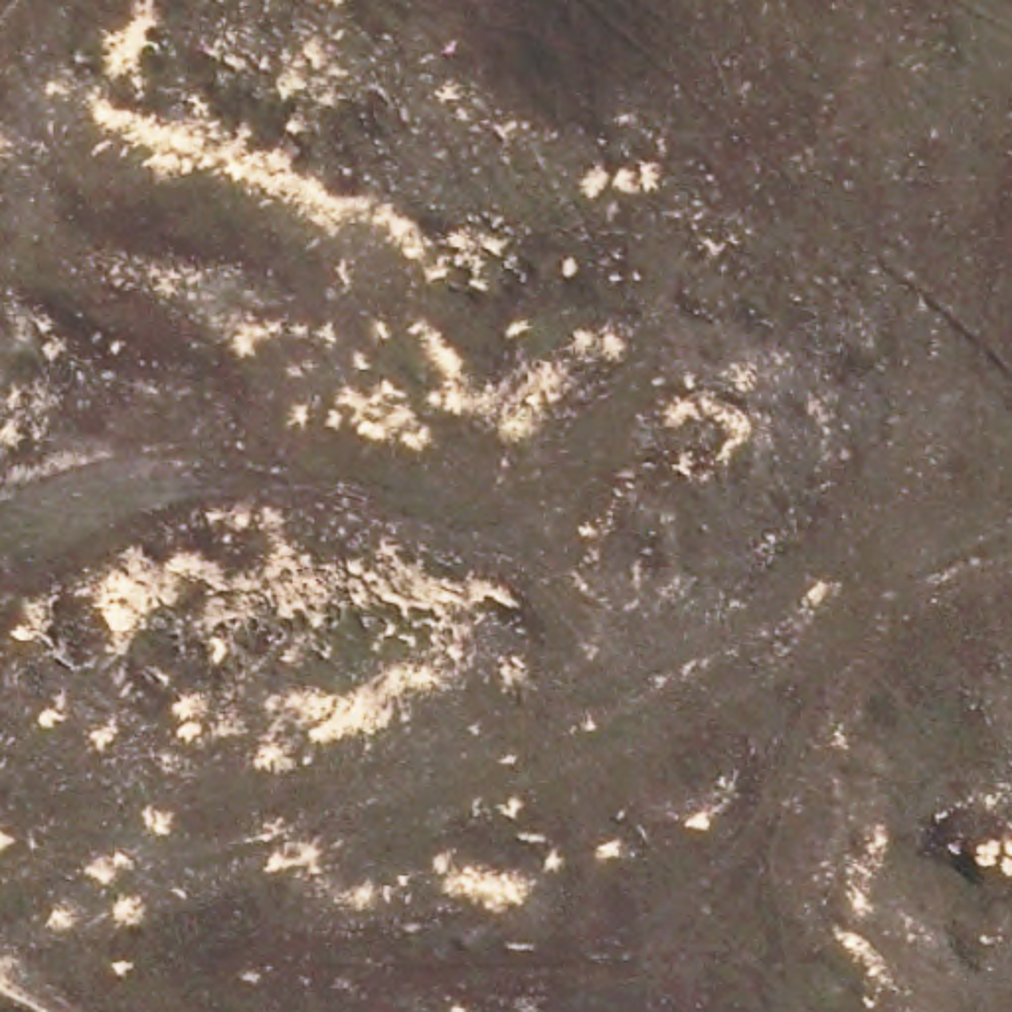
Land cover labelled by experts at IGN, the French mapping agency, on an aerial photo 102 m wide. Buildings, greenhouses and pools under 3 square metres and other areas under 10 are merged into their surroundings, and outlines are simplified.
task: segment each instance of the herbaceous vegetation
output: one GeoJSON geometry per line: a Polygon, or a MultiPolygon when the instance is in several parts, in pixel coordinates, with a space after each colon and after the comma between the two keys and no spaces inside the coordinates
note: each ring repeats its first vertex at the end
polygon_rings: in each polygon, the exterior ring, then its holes
{"type": "Polygon", "coordinates": [[[372,198],[356,221],[340,221],[336,233],[328,233],[324,225],[300,213],[296,202],[285,202],[281,194],[237,182],[229,174],[158,174],[150,166],[150,146],[130,142],[115,127],[95,123],[91,107],[43,91],[43,83],[59,71],[91,83],[107,67],[103,40],[130,24],[134,0],[0,0],[0,1012],[866,1012],[866,965],[838,945],[838,933],[858,933],[882,953],[889,984],[886,1004],[878,1012],[1012,1012],[1012,0],[154,0],[154,28],[146,32],[146,47],[138,51],[134,67],[119,75],[107,103],[119,111],[150,115],[158,123],[182,123],[190,134],[202,134],[202,146],[210,150],[229,146],[233,138],[249,150],[281,150],[293,158],[296,174],[316,178],[328,194],[372,198]],[[300,51],[304,43],[320,43],[320,51],[336,55],[336,63],[344,67],[336,107],[324,107],[304,91],[277,91],[285,75],[281,51],[300,51]],[[427,281],[427,273],[411,257],[403,257],[391,233],[376,225],[383,206],[415,221],[423,237],[486,233],[490,257],[482,261],[482,269],[490,289],[470,289],[466,265],[451,269],[443,281],[427,281]],[[190,300],[111,285],[111,261],[119,253],[138,253],[166,269],[241,269],[245,285],[265,296],[253,320],[281,320],[281,336],[257,340],[245,356],[233,352],[210,324],[194,320],[190,300]],[[466,391],[482,391],[498,380],[522,387],[530,372],[542,368],[577,332],[609,328],[609,336],[601,360],[581,360],[561,376],[561,395],[553,403],[542,403],[542,423],[530,435],[510,439],[486,427],[482,415],[447,411],[431,403],[431,391],[443,387],[443,372],[411,336],[415,320],[435,324],[447,348],[455,348],[466,372],[466,391]],[[810,364],[822,364],[834,376],[838,395],[830,407],[822,399],[802,403],[791,395],[783,395],[779,403],[763,399],[759,415],[771,415],[771,447],[743,443],[731,455],[731,463],[719,463],[719,447],[727,435],[723,423],[668,423],[668,407],[684,395],[684,376],[696,368],[696,360],[727,368],[747,364],[755,348],[779,348],[810,364]],[[407,391],[411,415],[431,435],[427,447],[368,439],[356,427],[328,427],[328,411],[344,387],[364,395],[376,383],[395,383],[407,391]],[[206,625],[202,617],[206,601],[225,601],[225,609],[233,609],[237,589],[210,589],[198,577],[182,577],[178,601],[150,609],[146,625],[130,633],[130,648],[119,656],[107,648],[107,617],[95,601],[75,597],[75,585],[119,573],[127,565],[127,549],[142,549],[150,561],[198,553],[221,565],[225,577],[241,577],[265,565],[273,553],[265,530],[241,526],[237,542],[221,542],[221,526],[206,522],[206,510],[217,506],[281,510],[285,542],[296,553],[308,553],[312,561],[364,561],[372,569],[380,542],[391,542],[399,557],[407,565],[419,565],[427,577],[490,581],[510,589],[514,605],[478,601],[470,609],[451,609],[451,621],[470,629],[463,648],[474,652],[474,664],[447,688],[419,688],[411,696],[407,723],[387,719],[387,727],[376,731],[348,731],[340,739],[324,739],[312,767],[269,771],[257,767],[257,751],[269,727],[265,696],[352,696],[356,688],[364,688],[395,664],[419,668],[431,648],[435,609],[395,609],[383,601],[356,609],[324,605],[324,625],[308,625],[308,617],[300,613],[281,617],[277,601],[257,601],[253,621],[237,629],[206,625]],[[870,882],[870,913],[854,913],[846,897],[846,866],[862,858],[874,826],[886,826],[886,862],[870,882]],[[316,889],[304,893],[289,870],[269,870],[269,854],[300,854],[304,842],[316,846],[320,866],[344,889],[356,889],[356,905],[336,905],[328,897],[316,897],[316,889]],[[490,874],[514,874],[526,882],[526,897],[502,909],[486,909],[482,897],[447,893],[435,874],[435,854],[451,854],[451,862],[459,862],[463,870],[478,866],[490,874]]]}

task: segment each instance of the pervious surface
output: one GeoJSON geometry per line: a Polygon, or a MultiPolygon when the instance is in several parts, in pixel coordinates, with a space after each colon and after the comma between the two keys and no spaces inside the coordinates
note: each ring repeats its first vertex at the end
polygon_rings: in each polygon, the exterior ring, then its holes
{"type": "Polygon", "coordinates": [[[368,439],[427,447],[431,435],[411,415],[407,391],[395,383],[376,383],[364,395],[344,387],[328,411],[328,427],[356,427],[368,439]]]}
{"type": "Polygon", "coordinates": [[[490,874],[478,866],[463,870],[459,862],[451,862],[451,854],[435,854],[435,874],[447,893],[482,897],[486,909],[502,909],[526,897],[526,882],[514,874],[490,874]]]}
{"type": "Polygon", "coordinates": [[[304,91],[324,107],[336,107],[344,67],[336,63],[336,55],[320,51],[320,43],[304,43],[300,51],[281,51],[285,75],[277,91],[304,91]]]}
{"type": "Polygon", "coordinates": [[[731,455],[743,443],[771,447],[771,415],[759,415],[763,399],[779,403],[783,395],[791,395],[802,403],[822,399],[830,407],[838,395],[834,376],[822,364],[810,364],[779,348],[755,348],[747,364],[727,368],[696,360],[696,368],[684,376],[684,395],[668,407],[668,423],[723,423],[727,435],[719,447],[719,463],[731,463],[731,455]]]}
{"type": "Polygon", "coordinates": [[[316,889],[316,897],[328,897],[336,905],[356,905],[356,889],[344,889],[320,866],[316,846],[304,842],[300,854],[269,854],[269,870],[289,870],[304,893],[316,889]]]}
{"type": "Polygon", "coordinates": [[[210,150],[202,146],[202,134],[190,134],[182,123],[158,123],[150,115],[119,111],[107,103],[119,75],[134,67],[138,51],[146,47],[146,32],[154,28],[154,0],[134,0],[130,24],[103,40],[107,67],[91,83],[59,71],[43,83],[43,91],[91,107],[95,123],[115,127],[130,142],[150,146],[150,166],[158,174],[229,174],[237,182],[281,194],[285,202],[296,202],[300,213],[324,225],[328,233],[336,233],[340,221],[356,221],[372,198],[328,194],[316,178],[296,174],[293,158],[281,150],[249,150],[233,138],[229,146],[210,150]]]}
{"type": "Polygon", "coordinates": [[[300,613],[308,617],[308,625],[324,625],[324,605],[356,609],[383,601],[395,609],[435,609],[431,648],[419,668],[395,664],[364,688],[356,688],[352,696],[265,696],[269,727],[257,751],[257,767],[269,771],[312,767],[324,739],[340,739],[348,731],[376,731],[387,727],[387,719],[407,723],[411,696],[419,688],[447,688],[474,664],[474,652],[463,648],[470,629],[451,621],[451,609],[470,609],[478,601],[514,605],[510,589],[490,581],[427,577],[419,565],[407,565],[399,557],[391,542],[380,542],[372,569],[364,561],[312,561],[308,553],[296,553],[285,542],[281,510],[217,506],[206,510],[206,522],[221,526],[221,542],[237,542],[241,526],[265,530],[273,553],[265,565],[241,577],[225,577],[221,565],[198,553],[150,561],[142,549],[127,549],[127,565],[119,573],[75,585],[75,597],[95,601],[107,617],[107,648],[119,656],[130,648],[130,633],[146,625],[150,609],[178,601],[182,577],[198,577],[210,589],[237,589],[233,609],[225,609],[225,601],[206,601],[202,617],[206,625],[237,629],[253,621],[257,601],[277,601],[281,617],[300,613]]]}
{"type": "Polygon", "coordinates": [[[878,1012],[886,1004],[889,984],[882,953],[858,933],[838,933],[838,945],[866,965],[866,1012],[878,1012]]]}
{"type": "Polygon", "coordinates": [[[530,435],[542,423],[542,403],[553,403],[561,395],[561,376],[581,360],[601,360],[609,336],[609,328],[577,332],[542,368],[530,372],[522,387],[498,380],[482,391],[466,391],[466,372],[455,348],[447,348],[435,324],[415,320],[411,336],[443,372],[443,387],[431,391],[431,403],[447,411],[482,415],[486,427],[510,439],[530,435]]]}
{"type": "Polygon", "coordinates": [[[376,225],[391,233],[403,257],[411,257],[427,273],[427,281],[443,281],[451,269],[466,265],[470,289],[490,289],[482,269],[482,261],[490,257],[486,233],[423,237],[415,221],[383,206],[376,225]]]}
{"type": "Polygon", "coordinates": [[[846,866],[846,897],[854,913],[870,913],[870,882],[886,862],[886,826],[874,826],[862,858],[846,866]]]}
{"type": "Polygon", "coordinates": [[[281,320],[253,320],[265,296],[245,285],[241,269],[166,269],[138,253],[119,253],[111,261],[111,285],[190,300],[194,320],[210,324],[233,352],[245,356],[257,340],[281,336],[281,320]]]}

